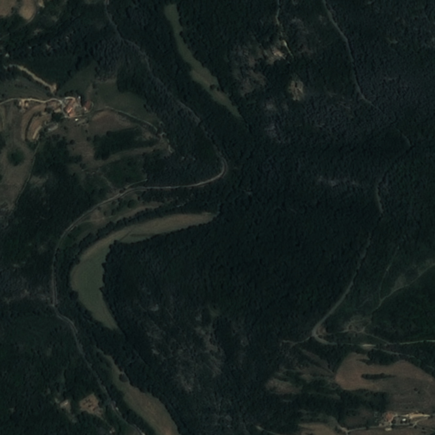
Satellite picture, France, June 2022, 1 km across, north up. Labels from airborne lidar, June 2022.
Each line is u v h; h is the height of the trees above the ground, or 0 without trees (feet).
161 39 63
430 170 52
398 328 24
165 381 22
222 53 41
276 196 61
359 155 77
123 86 42
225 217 94
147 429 68
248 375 20
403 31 28
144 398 0
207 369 20
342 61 31
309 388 36
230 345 40
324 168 44
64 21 34
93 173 0
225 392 45
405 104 66
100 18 35
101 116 0
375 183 44
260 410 24
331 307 34
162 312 32
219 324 46
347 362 0
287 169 52
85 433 54
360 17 58
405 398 0
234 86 36
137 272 36
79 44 99
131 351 64
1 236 51
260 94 39
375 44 59
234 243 82
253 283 55
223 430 29
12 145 0
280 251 93
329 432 0
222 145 74
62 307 66
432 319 26
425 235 36
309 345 26
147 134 0
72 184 38
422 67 47
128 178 41
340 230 63
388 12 34
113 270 33
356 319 0
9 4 0
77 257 34
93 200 46
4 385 67
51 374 41
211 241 85
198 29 47
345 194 45
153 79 67
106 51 81
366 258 38
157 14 71
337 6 43
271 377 27
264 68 33
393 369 0
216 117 83
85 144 0
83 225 0
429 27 28
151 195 48
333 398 25
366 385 0
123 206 48
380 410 32
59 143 22
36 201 44
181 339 24
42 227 57
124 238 0
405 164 40
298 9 24
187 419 50
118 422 26
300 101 22
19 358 46
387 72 53
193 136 61
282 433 25
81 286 0
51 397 44
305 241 86
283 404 32
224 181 51
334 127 52
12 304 27
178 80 78
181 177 86
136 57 33
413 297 24
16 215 39
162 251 51
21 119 0
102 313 0
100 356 74
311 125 34
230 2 34
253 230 92
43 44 78
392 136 79
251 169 77
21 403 81
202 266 53
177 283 40
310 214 73
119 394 68
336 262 50
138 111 0
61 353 47
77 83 0
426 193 58
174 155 38
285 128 44
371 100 61
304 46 47
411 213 51
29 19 0
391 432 0
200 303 44
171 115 51
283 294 35
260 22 26
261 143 39
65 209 41
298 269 73
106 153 27
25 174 0
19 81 0
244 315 21
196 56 45
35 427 71
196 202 54
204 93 72
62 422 61
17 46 40
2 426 80
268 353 25
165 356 33
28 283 22
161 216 46
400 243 26
